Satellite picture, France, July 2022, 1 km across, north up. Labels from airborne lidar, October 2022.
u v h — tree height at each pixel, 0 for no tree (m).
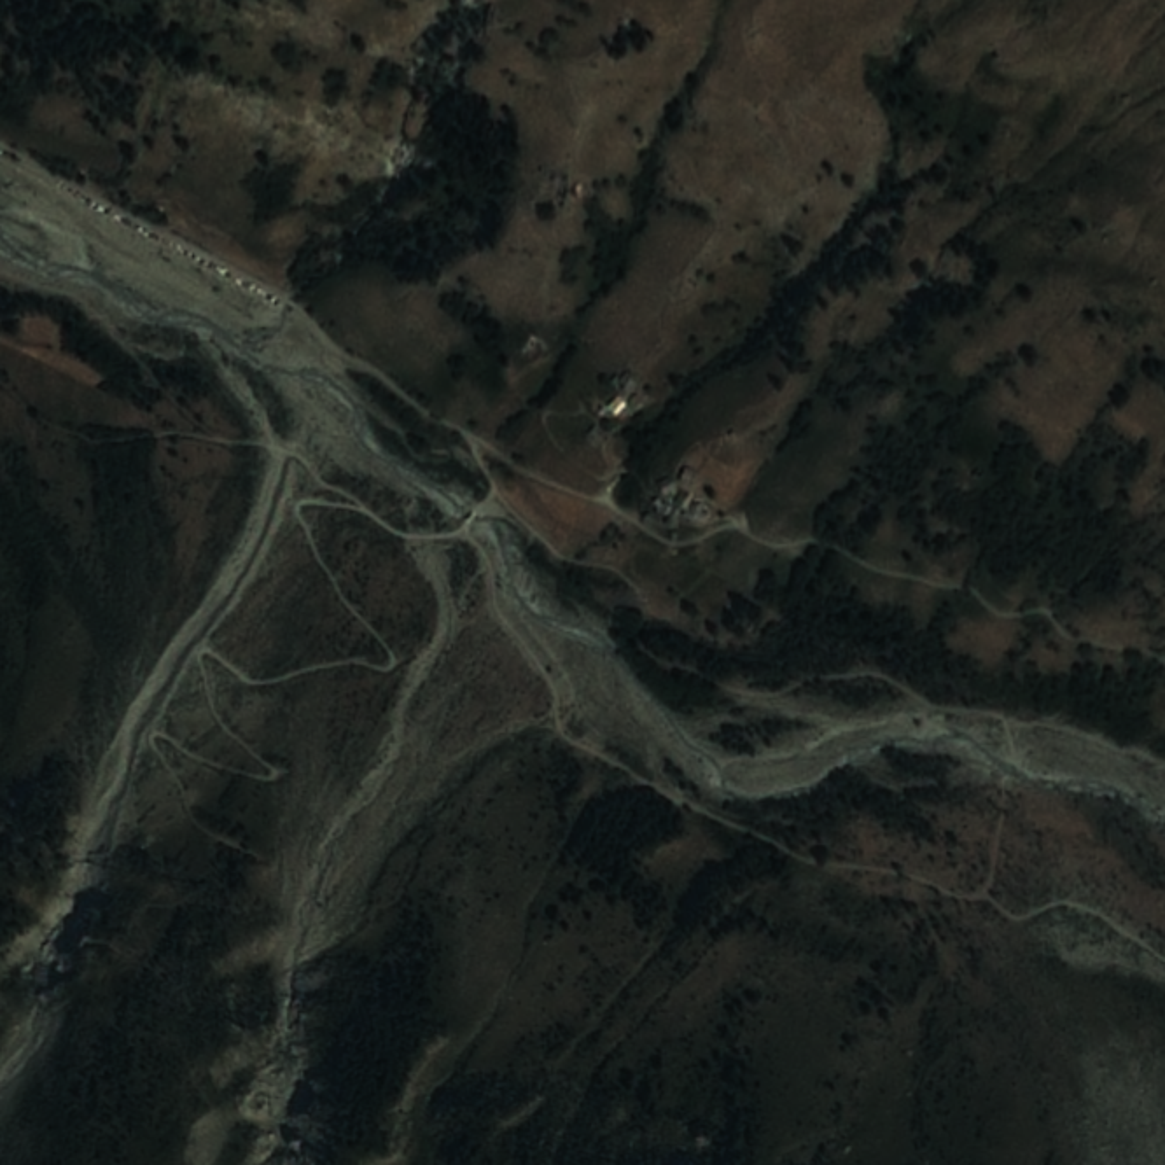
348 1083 15
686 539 0
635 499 0
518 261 0
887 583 0
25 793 7
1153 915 0
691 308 0
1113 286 0
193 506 0
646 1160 10
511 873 0
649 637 17
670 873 0
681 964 8
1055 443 0
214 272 0
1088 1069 0
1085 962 0
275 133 0
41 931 0
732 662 11
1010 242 0
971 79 0
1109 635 0
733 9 0
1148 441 7
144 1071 7
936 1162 0
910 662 13
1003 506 11
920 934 11
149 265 0
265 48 0
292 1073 0
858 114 0
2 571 0
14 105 8
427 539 0
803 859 0
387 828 0
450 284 0
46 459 0
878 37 0
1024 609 7
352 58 0
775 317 13
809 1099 0
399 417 9
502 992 0
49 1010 0
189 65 18
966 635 0
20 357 0
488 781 0
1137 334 0
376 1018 14
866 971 0
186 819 0
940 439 11
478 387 0
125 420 0
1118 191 0
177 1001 7
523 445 0
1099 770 0
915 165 0
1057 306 0
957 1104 0
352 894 0
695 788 9
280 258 0
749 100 0
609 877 6
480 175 6
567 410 0
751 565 0
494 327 20
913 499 8
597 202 9
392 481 0
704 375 9
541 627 0
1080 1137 0
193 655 0
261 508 0
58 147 0
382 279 0
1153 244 0
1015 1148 0
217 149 0
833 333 0
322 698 0
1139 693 12
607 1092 10
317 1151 8
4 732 0
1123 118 0
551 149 0
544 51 9
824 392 7
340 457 0
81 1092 11
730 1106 11
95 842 0
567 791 13
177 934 7
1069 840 0
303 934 0
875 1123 0
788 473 0
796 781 0
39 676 0
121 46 16
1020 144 0
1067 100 0
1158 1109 0
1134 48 0
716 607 0
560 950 0
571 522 0
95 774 0
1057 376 0
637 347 0
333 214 8
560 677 0
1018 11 0
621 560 0
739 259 9
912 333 23
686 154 0
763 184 0
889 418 0
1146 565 8
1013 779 0
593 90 0
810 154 0
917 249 0
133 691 0
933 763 8
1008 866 6
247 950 0
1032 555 7
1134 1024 0
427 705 0
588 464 0
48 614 0
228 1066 0
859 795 5
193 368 7
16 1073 0
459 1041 0
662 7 0
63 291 0
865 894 0
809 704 0
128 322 0
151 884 0
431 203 5
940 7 0
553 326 0
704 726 0
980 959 9
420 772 0
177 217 0
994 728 0
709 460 0
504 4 0
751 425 0
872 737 0
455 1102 10
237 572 0
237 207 0
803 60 0
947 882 0
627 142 0
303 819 0
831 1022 0
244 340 0
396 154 0
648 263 0
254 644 0
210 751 0
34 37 17
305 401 0
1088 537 7
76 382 0
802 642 15
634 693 0
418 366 0
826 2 0
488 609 0
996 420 0
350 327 0
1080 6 0
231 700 0
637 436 14
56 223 0
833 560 12
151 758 0
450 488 0
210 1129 0
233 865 9
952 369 0
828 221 0
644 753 0
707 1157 6
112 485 7
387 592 0
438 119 21
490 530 0
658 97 0
